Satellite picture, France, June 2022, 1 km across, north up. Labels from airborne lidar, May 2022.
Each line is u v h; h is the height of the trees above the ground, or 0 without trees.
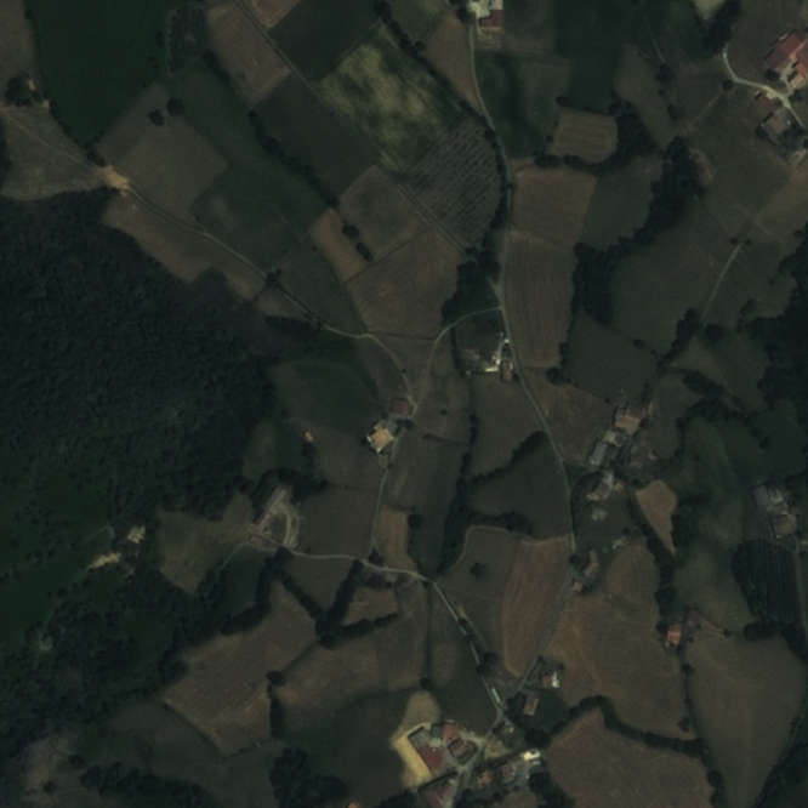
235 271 0
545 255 0
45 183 0
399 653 0
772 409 6
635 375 0
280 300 0
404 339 0
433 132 0
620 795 0
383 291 0
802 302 20
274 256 0
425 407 0
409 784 0
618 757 0
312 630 0
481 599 0
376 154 0
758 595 9
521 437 0
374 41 0
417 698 0
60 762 0
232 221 0
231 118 0
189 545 0
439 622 0
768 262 0
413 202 0
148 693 19
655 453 6
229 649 0
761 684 0
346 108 0
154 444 16
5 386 17
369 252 10
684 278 0
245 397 22
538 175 0
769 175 0
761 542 8
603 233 0
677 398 0
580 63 0
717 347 0
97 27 0
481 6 0
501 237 0
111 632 25
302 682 0
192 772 0
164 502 11
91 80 0
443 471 0
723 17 15
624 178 0
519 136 0
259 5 0
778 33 0
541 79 0
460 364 6
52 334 16
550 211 0
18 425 11
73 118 0
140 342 13
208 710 0
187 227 0
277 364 12
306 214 0
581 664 0
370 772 0
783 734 0
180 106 18
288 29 0
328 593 0
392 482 0
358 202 0
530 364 0
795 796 0
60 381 10
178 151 0
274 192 0
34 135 0
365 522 0
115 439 11
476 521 10
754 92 0
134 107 0
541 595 0
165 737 0
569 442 0
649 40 0
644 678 0
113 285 14
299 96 0
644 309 0
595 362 0
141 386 14
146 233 0
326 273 0
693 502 12
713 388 20
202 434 20
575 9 0
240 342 15
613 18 0
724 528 0
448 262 0
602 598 0
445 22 0
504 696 0
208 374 14
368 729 0
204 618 20
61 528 11
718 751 0
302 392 0
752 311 10
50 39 0
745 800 0
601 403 0
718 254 0
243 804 0
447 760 0
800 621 9
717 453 0
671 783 0
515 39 0
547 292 0
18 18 0
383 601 0
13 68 0
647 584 0
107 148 0
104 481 10
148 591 16
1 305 17
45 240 14
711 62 0
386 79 0
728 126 0
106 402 13
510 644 0
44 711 12
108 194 18
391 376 0
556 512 0
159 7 0
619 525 0
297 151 0
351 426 0
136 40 0
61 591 10
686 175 23
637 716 0
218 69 9
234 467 28
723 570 0
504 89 0
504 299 0
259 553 0
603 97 0
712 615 0
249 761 0
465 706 0
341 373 0
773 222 0
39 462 8
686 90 0
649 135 15
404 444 0
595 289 20
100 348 15
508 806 0
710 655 0
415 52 12
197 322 7
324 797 17
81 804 0
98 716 15
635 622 0
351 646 0
